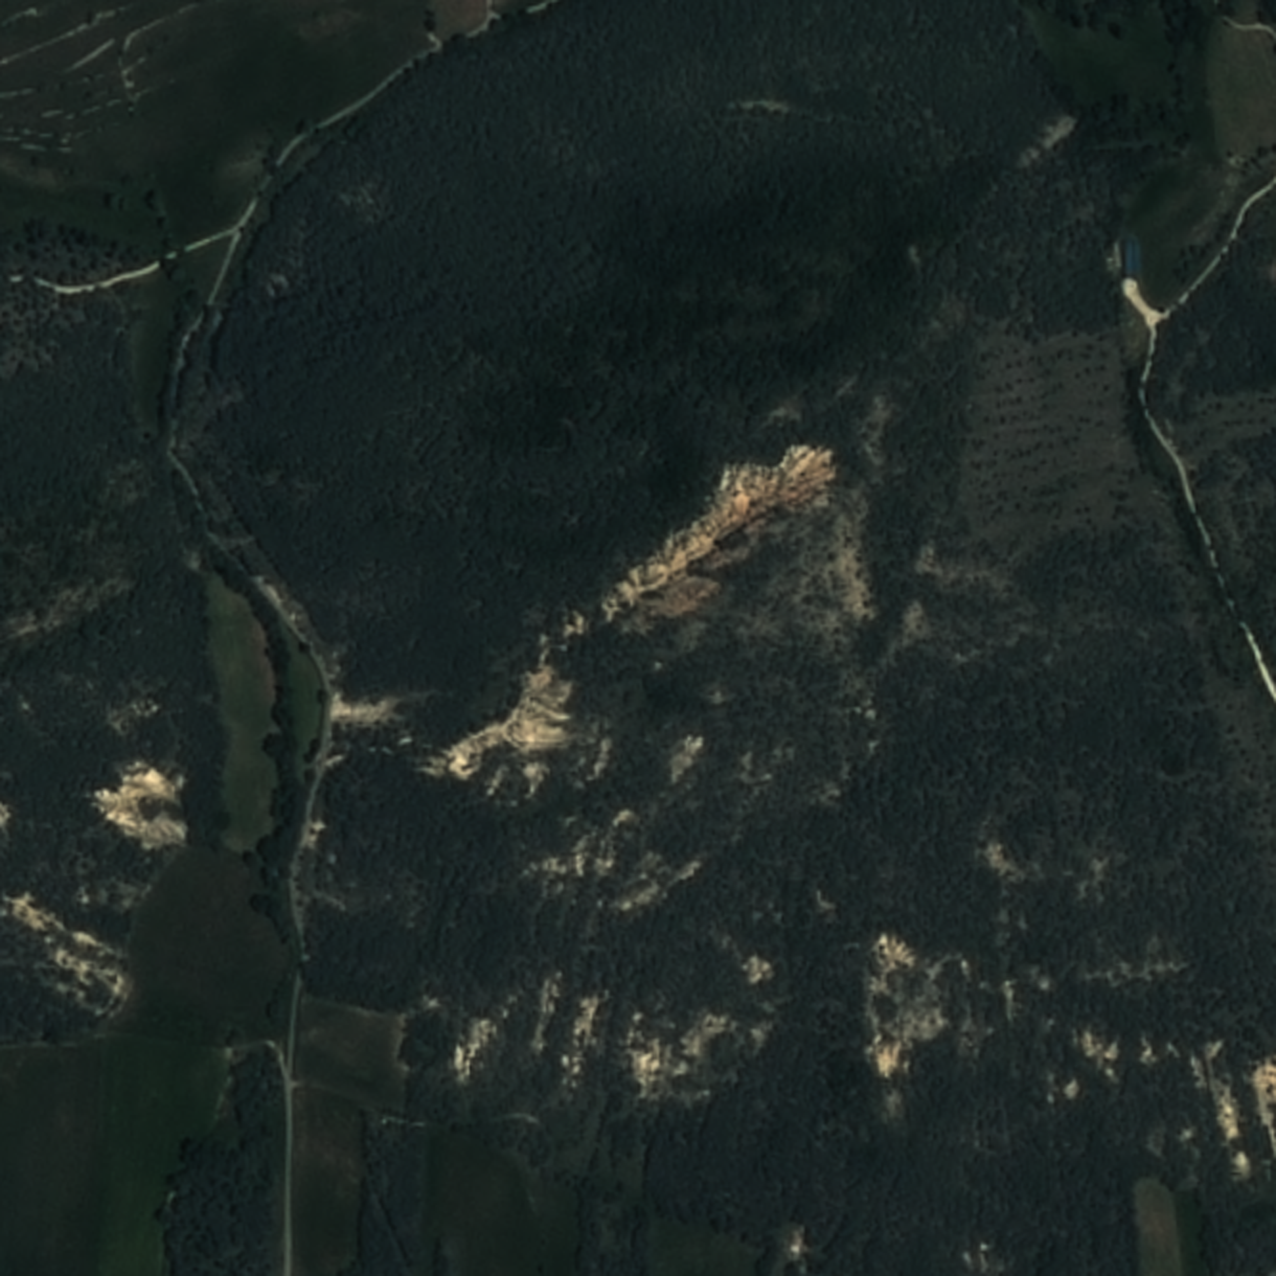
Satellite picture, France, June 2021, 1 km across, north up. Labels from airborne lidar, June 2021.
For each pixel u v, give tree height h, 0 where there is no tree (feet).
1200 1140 23
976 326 23
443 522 43
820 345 22
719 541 33
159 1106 0
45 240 82
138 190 0
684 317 41
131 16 0
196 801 39
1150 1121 26
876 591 23
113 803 0
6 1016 27
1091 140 43
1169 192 0
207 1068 0
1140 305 0
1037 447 20
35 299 29
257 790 0
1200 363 20
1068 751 34
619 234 30
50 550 30
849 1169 32
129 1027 0
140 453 30
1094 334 26
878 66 23
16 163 0
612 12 24
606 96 21
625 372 35
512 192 44
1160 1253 0
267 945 0
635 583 0
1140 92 0
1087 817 27
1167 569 27
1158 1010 22
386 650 36
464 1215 0
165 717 33
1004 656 22
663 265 31
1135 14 46
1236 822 24
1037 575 24
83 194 0
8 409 33
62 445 40
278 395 32
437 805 24
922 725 21
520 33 36
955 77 21
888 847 22
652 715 21
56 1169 0
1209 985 31
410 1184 26
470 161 25
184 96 0
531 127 21
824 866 23
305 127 55
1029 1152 30
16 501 37
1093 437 0
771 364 24
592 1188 21
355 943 31
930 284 18
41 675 30
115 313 32
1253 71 0
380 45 0
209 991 0
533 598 39
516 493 38
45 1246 0
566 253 43
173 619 28
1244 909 29
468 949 31
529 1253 0
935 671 28
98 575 21
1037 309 32
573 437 49
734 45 19
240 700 0
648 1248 37
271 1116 0
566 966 28
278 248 18
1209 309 25
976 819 17
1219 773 32
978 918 21
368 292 48
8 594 31
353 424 28
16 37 0
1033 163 17
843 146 23
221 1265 46
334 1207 0
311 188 27
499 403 33
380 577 22
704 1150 42
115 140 0
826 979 28
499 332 33
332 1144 0
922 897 20
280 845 53
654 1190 33
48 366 24
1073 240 27
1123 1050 21
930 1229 29
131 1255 0
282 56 0
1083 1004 23
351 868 23
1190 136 27
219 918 0
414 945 24
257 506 33
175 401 32
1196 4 51
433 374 28
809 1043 31
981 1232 28
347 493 27
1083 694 26
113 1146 0
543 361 33
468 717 31
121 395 40
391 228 28
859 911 27
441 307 29
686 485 25
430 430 37
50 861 19
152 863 20
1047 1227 30
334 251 30
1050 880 21
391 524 42
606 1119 27
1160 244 0
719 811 24
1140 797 23
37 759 27
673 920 28
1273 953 30
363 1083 0
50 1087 0
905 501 19
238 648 0
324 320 38
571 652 23
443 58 34
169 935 0
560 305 27
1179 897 22
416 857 27
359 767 37
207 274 0
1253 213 21
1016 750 36
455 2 0
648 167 26
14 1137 0
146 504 33
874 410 0
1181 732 28
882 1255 34
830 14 21
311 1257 0
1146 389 24
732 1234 41
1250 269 28
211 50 0
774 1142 39
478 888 32
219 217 0
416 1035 25
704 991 18
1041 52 41
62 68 0
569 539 27
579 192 29
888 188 26
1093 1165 41
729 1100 24
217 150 0
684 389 50
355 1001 19
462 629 31
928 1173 29
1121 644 19
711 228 31
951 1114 28
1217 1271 25
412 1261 38
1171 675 39
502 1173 0
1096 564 32
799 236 29
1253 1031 30
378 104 25
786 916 22
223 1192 33
